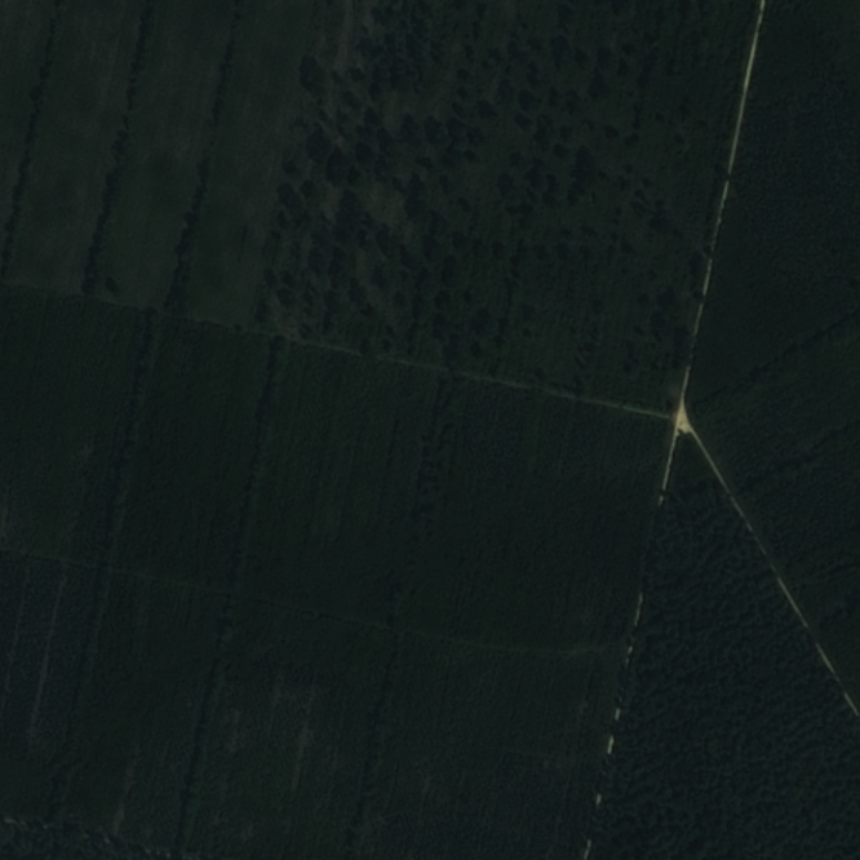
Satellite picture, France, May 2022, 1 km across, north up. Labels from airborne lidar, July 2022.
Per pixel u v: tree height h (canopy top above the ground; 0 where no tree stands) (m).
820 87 8
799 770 25
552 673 8
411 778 7
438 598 10
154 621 9
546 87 7
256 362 6
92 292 21
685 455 12
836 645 6
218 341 10
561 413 7
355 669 6
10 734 8
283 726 6
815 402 5
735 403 10
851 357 7
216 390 7
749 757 30
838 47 6
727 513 32
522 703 7
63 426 6
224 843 7
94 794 6
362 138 15
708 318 9
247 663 11
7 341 6
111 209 19
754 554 31
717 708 25
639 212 24
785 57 9
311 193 23
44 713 9
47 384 7
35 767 9
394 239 31
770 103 8
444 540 13
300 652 9
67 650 9
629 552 10
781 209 9
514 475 10
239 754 6
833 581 6
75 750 11
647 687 29
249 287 0
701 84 13
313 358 6
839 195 9
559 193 28
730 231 10
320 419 6
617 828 19
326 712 6
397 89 27
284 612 9
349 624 6
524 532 10
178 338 5
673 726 19
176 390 6
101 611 13
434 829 9
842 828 19
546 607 10
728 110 11
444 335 25
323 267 29
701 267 24
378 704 6
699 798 29
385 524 8
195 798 21
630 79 25
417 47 39
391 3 16
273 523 6
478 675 7
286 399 6
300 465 7
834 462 7
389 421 7
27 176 18
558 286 8
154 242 0
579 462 6
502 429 7
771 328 8
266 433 17
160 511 8
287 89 0
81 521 7
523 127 25
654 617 9
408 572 11
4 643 9
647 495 8
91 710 9
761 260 9
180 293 22
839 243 9
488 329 24
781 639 25
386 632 7
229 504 8
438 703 7
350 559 10
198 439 10
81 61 0
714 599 26
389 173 22
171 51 0
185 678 8
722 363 11
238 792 8
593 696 6
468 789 7
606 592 8
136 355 7
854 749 25
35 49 0
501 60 24
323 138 22
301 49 0
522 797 7
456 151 24
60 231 0
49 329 6
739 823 29
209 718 16
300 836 6
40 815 8
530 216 25
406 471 6
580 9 15
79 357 7
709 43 27
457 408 11
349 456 5
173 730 6
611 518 9
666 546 29
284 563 9
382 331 7
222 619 8
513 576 7
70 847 26
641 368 24
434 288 23
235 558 14
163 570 11
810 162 9
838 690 25
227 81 13
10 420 6
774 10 8
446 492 7
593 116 0
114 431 7
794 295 10
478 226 8
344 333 6
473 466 8
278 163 0
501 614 8
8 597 6
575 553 9
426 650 6
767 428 8
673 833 30
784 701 24
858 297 8
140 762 7
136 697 11
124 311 7
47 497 6
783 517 6
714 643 25
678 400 0
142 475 8
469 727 6
